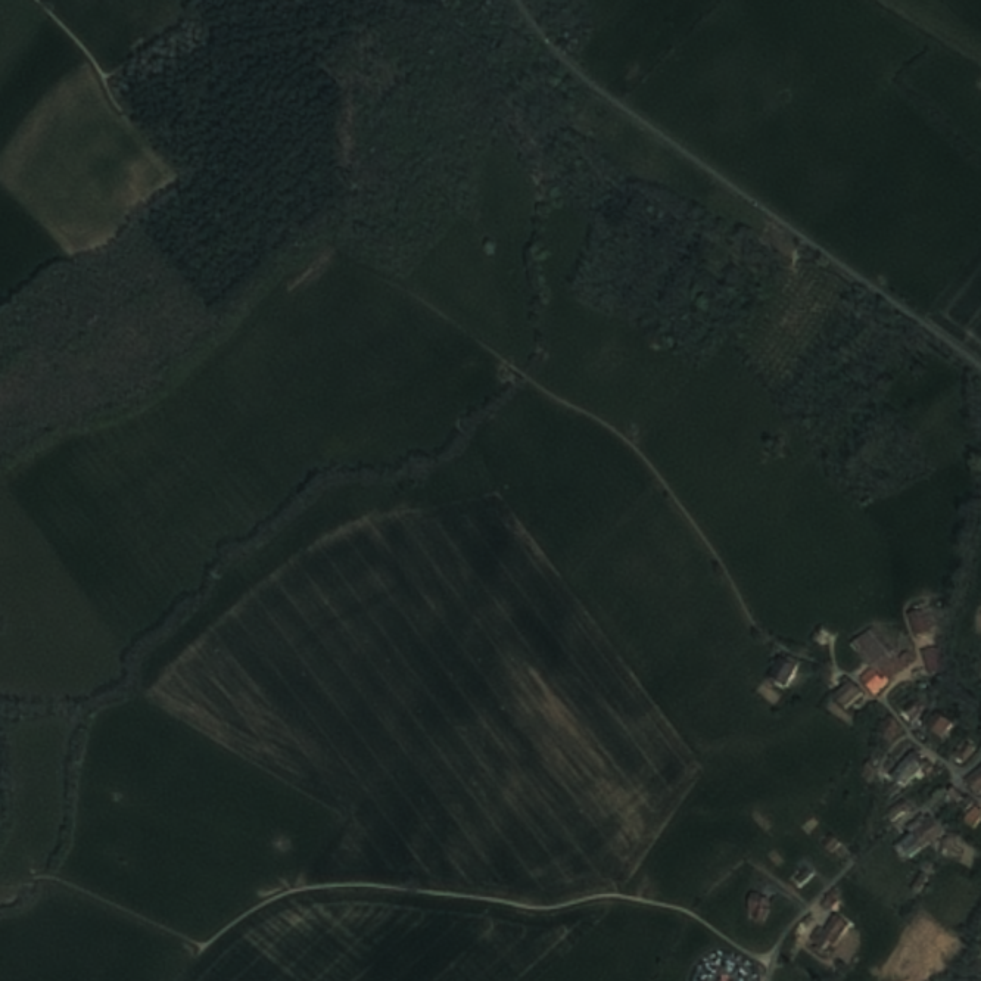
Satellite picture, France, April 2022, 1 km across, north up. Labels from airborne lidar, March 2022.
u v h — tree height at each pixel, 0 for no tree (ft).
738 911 0
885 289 0
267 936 0
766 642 57
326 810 0
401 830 0
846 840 0
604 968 0
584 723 0
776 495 0
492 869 0
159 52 44
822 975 0
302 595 0
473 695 0
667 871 0
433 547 0
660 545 0
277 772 0
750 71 0
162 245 63
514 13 59
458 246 0
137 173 0
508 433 0
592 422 0
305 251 54
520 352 0
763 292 22
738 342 59
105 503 0
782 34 0
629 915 0
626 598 0
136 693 24
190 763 0
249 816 0
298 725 0
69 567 0
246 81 57
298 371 0
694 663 0
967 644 0
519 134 61
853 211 0
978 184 0
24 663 0
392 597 0
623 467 0
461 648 0
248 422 0
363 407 0
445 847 0
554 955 0
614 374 0
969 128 0
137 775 0
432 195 66
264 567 0
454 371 0
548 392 0
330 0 54
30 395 50
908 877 0
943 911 0
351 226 73
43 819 0
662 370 0
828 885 0
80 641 0
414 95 55
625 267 77
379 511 0
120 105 0
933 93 0
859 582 0
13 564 0
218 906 0
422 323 0
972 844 30
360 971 0
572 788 0
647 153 0
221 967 0
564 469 0
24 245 0
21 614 0
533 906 0
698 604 0
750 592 0
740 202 0
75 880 0
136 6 0
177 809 0
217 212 50
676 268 65
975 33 0
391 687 0
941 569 0
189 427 0
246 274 62
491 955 0
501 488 0
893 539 0
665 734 0
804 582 0
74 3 0
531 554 0
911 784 0
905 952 0
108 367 49
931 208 0
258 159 52
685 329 65
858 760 0
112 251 42
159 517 0
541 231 39
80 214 0
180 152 54
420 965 0
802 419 76
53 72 0
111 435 0
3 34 0
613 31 0
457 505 0
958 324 0
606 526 0
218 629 0
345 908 0
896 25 0
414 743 0
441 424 0
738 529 0
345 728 0
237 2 67
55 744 0
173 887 0
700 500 0
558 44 51
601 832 0
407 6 54
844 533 0
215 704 0
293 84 67
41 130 0
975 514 67
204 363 38
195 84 69
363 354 0
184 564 0
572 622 0
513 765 0
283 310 0
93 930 0
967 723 60
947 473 0
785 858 0
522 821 0
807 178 0
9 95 0
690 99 0
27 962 0
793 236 0
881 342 82
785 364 0
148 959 0
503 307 0
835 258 0
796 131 0
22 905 34
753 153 0
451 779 0
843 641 0
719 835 0
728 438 0
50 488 0
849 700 0
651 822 0
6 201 0
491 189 0
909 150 0
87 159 0
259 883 0
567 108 72
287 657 0
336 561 0
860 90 0
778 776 0
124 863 20
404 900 0
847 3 0
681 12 0
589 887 0
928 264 0
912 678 0
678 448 0
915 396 0
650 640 0
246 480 0
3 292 0
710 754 0
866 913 0
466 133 50
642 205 78
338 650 0
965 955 65
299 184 71
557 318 0
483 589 0
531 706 0
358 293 0
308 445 0
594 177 70
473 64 68
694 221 78
